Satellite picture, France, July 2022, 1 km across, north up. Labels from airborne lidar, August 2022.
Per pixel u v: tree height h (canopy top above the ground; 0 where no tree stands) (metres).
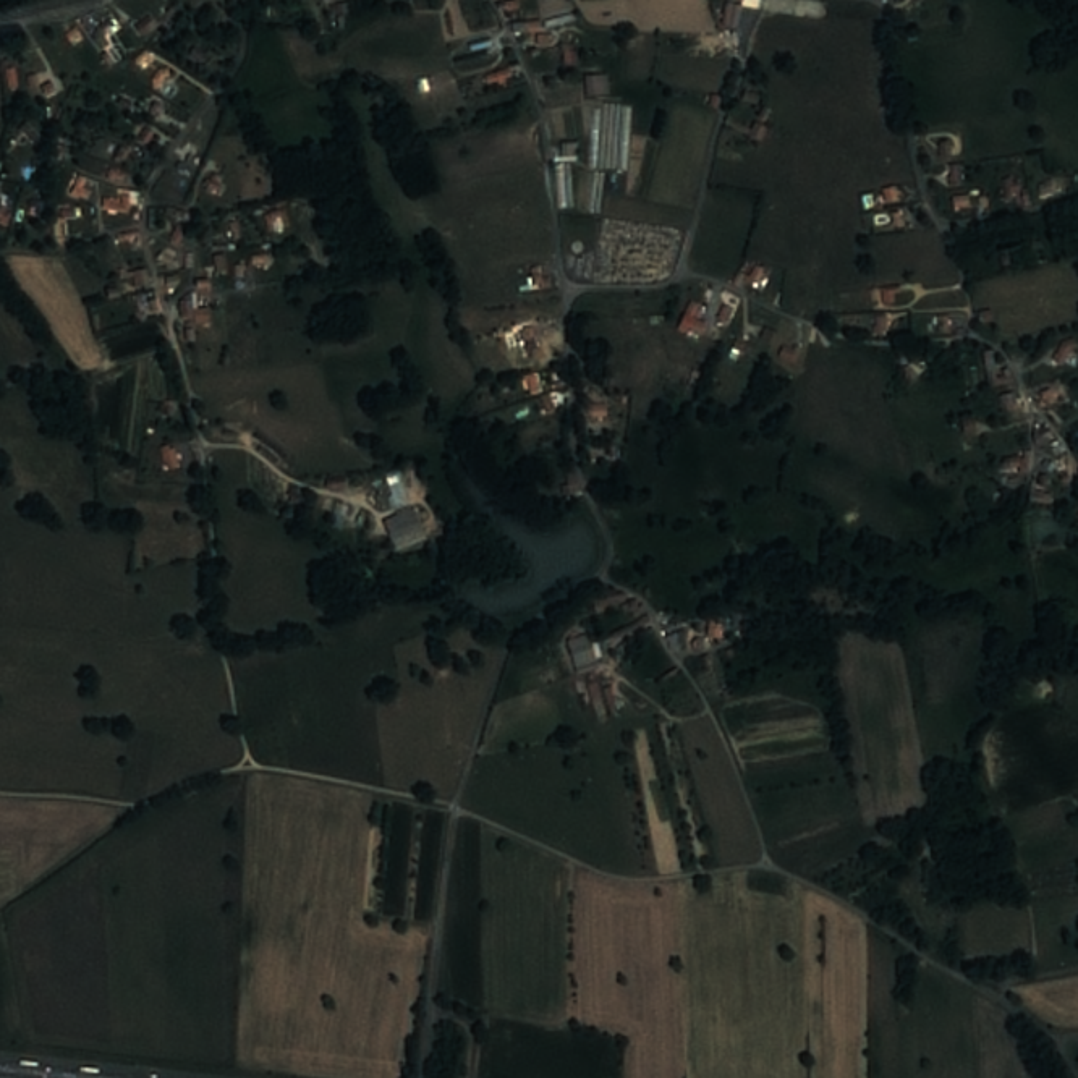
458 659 12
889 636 21
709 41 0
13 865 0
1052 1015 0
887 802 0
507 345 0
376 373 0
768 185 0
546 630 15
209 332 0
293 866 0
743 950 0
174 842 0
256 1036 0
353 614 17
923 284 0
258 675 0
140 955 0
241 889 0
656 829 0
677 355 0
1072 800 0
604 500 17
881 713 0
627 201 0
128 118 12
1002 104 0
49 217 19
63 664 0
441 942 0
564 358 15
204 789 9
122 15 0
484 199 0
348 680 0
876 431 0
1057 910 0
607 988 0
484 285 0
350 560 27
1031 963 25
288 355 0
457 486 8
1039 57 17
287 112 0
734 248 0
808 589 15
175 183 0
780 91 0
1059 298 0
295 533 20
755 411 14
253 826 0
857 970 0
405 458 12
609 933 0
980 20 0
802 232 0
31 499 14
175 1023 0
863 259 12
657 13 0
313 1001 0
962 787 22
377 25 0
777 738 0
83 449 19
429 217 0
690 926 0
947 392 0
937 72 0
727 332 0
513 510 20
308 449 0
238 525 0
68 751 0
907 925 8
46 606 0
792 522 0
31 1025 0
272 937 0
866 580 18
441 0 9
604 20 0
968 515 10
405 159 15
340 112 14
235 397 0
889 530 0
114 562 0
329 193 21
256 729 0
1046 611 17
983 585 0
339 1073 0
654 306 0
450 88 0
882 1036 0
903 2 0
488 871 0
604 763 0
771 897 0
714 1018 0
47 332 16
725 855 0
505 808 0
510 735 0
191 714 0
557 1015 0
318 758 0
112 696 0
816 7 0
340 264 21
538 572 0
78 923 0
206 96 0
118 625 0
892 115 17
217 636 21
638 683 0
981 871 21
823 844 0
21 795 0
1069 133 0
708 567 0
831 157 0
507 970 0
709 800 0
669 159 0
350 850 0
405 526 0
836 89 0
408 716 0
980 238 12
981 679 17
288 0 11
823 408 0
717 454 0
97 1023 0
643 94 0
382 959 0
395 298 0
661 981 0
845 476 0
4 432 0
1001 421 8
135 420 0
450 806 0
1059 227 17
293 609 0
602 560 0
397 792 0
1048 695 0
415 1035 6
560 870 0
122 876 0
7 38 13
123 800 0
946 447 0
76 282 0
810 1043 0
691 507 0
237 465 0
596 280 0
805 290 0
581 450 13
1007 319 0
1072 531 9
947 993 0
